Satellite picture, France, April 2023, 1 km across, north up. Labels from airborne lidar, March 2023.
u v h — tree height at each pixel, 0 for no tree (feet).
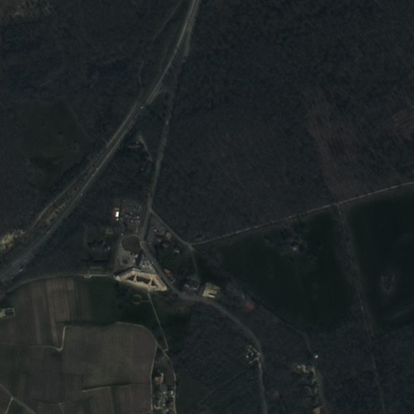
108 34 95
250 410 49
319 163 98
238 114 92
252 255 0
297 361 69
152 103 0
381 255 0
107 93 76
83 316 0
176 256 23
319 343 71
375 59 91
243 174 84
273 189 89
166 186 64
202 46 75
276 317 26
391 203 0
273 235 0
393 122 93
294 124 98
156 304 0
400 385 82
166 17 57
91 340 0
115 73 61
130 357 0
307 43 70
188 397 0
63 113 0
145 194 60
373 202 0
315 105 59
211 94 21
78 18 83
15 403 0
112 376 0
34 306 0
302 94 70
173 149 77
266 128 89
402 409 82
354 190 0
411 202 0
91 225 58
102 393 0
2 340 0
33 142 0
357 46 89
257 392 51
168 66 0
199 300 0
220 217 80
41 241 0
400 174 77
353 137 0
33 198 67
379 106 83
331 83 72
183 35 0
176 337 0
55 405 0
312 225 0
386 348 83
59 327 0
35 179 0
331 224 0
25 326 0
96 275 0
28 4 28
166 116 22
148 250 0
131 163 71
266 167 81
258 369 41
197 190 71
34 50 77
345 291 0
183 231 33
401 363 81
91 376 0
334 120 53
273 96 77
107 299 0
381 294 0
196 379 22
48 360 0
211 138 104
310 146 85
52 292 0
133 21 66
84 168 17
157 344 0
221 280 0
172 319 0
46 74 80
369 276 0
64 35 88
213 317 38
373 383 94
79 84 91
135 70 75
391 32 89
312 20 68
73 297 0
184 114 56
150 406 0
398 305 0
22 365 0
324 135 0
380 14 69
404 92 87
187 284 0
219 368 39
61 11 52
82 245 65
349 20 72
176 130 84
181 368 36
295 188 74
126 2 94
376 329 0
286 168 85
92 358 0
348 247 77
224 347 47
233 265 0
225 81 84
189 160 82
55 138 0
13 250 36
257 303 40
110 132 39
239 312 54
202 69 74
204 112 94
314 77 66
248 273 0
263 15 45
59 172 0
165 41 32
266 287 0
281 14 79
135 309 0
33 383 0
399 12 83
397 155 95
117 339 0
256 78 89
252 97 81
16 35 99
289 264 0
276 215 76
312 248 0
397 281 0
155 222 0
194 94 73
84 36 90
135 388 0
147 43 27
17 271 0
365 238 0
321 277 0
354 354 78
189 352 21
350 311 0
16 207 66
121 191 60
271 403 59
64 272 51
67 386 0
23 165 57
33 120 0
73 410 0
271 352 64
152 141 62
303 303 0
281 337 70
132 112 0
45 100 34
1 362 0
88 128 57
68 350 0
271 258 0
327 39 75
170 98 42
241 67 88
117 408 0
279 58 88
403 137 82
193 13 0
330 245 0
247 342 42
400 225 0
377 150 100
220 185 65
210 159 87
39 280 0
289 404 49
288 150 82
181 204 64
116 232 33
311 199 72
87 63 55
